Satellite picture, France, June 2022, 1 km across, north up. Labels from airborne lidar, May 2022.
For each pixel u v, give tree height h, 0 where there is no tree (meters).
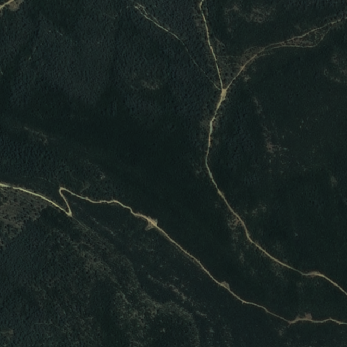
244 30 6
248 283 8
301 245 8
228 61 6
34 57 11
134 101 13
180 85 7
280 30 7
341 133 7
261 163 5
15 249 16
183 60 7
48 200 0
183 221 8
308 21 7
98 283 6
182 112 16
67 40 14
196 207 14
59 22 9
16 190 9
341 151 9
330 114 6
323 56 11
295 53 6
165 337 9
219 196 8
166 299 6
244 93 11
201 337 6
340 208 9
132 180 8
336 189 10
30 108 11
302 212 8
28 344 9
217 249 9
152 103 7
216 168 8
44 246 9
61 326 11
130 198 5
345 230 8
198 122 5
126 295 7
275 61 6
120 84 15
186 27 13
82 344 14
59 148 6
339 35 9
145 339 6
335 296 7
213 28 6
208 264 6
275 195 9
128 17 13
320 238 7
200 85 13
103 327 6
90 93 15
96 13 11
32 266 15
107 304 6
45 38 16
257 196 6
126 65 15
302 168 6
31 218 9
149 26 6
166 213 7
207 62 14
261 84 6
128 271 8
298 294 7
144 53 14
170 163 12
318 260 8
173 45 9
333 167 6
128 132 11
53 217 9
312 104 5
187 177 10
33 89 11
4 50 9
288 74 6
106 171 6
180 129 12
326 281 7
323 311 6
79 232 6
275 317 6
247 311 6
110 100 10
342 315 5
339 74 6
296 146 6
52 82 18
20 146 18
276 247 6
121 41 13
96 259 11
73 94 15
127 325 8
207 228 8
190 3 13
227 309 6
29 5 15
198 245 8
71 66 16
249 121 6
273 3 14
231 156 9
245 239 6
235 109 7
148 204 8
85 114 7
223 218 8
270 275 8
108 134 12
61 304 6
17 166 16
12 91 18
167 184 14
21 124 7
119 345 11
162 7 11
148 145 10
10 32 8
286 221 8
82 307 10
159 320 8
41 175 9
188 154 17
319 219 7
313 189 10
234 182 8
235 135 14
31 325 18
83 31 14
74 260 6
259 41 6
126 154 12
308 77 6
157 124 10
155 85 6
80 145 6
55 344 9
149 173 12
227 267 9
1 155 17
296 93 6
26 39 14
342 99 6
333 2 18
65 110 9
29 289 11
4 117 6
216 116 6
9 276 9
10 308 16
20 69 15
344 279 7
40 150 6
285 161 6
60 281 8
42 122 11
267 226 10
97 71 17
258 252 7
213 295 6
